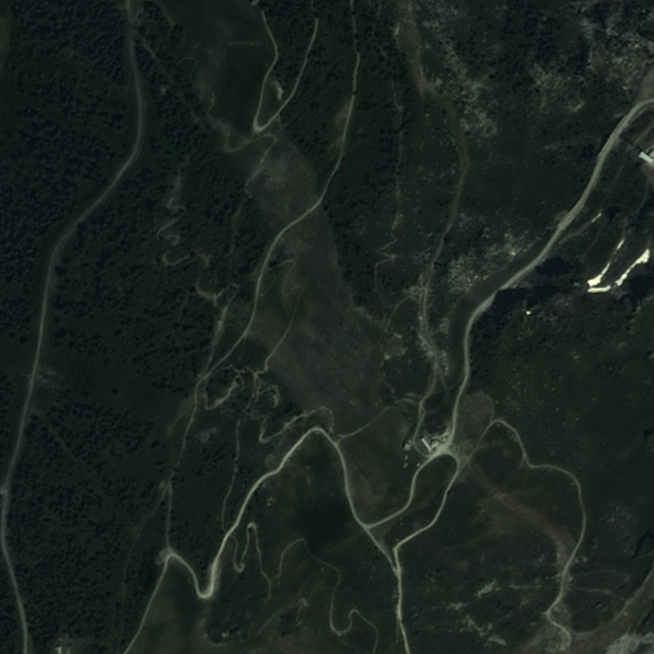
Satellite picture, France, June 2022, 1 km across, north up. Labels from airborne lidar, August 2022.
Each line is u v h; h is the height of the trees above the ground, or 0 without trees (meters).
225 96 0
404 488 0
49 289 0
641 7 10
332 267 0
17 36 9
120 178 0
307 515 0
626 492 0
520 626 0
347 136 0
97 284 9
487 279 0
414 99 6
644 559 0
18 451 0
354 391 0
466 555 0
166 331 0
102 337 15
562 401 0
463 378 0
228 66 0
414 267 0
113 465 0
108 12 21
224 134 0
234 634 12
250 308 0
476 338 8
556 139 0
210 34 0
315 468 0
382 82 5
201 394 0
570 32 0
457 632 0
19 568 11
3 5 0
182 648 0
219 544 0
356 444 0
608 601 0
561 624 0
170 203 0
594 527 0
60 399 7
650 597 0
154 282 0
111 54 15
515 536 0
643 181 0
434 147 0
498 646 0
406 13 0
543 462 0
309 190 0
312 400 0
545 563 0
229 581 0
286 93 6
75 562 11
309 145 10
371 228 0
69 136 19
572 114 0
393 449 0
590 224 0
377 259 0
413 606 0
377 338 0
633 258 0
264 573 0
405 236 0
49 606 9
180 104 17
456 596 0
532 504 0
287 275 0
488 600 0
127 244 14
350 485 0
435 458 0
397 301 0
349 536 0
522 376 0
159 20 21
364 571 0
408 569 0
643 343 0
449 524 0
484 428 0
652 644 0
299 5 17
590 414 0
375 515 0
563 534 0
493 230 0
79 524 15
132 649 0
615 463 0
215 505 0
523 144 0
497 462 0
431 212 0
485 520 0
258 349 0
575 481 0
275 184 0
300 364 0
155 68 23
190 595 0
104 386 0
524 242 0
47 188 5
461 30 0
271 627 0
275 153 0
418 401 0
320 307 0
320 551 0
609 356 0
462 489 0
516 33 9
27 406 0
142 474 0
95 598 14
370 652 0
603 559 0
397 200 0
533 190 0
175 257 0
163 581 0
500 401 0
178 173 10
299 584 0
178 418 0
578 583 0
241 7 0
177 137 19
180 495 0
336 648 0
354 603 0
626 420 0
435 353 0
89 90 6
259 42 0
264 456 0
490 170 0
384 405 0
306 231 0
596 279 0
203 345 11
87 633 7
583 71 7
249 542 0
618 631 0
